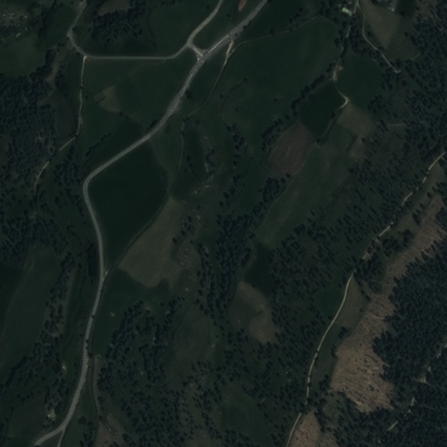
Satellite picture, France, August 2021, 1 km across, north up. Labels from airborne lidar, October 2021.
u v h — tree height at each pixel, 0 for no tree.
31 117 21
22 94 18
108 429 0
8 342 0
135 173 0
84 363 0
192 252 0
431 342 17
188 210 0
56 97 0
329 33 0
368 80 0
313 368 0
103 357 0
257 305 0
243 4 0
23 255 28
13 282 0
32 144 15
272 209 0
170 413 11
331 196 0
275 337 0
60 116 0
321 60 0
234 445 17
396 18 0
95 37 23
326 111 0
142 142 0
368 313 0
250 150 0
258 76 0
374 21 0
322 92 0
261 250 0
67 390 6
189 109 0
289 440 0
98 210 0
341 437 17
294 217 0
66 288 13
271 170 0
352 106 0
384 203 0
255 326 0
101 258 0
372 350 0
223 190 0
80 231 0
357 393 0
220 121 0
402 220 0
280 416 0
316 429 0
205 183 0
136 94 0
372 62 0
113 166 0
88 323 0
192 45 0
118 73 0
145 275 0
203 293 17
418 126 20
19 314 0
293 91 0
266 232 0
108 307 0
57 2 12
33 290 0
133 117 0
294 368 13
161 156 0
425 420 10
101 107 0
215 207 0
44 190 10
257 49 0
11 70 0
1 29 7
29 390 0
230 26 0
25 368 28
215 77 0
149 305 0
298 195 0
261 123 0
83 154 0
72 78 0
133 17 22
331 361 0
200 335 0
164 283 0
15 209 0
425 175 17
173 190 0
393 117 19
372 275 21
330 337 0
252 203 0
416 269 18
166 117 0
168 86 0
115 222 0
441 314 21
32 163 16
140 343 0
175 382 0
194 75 0
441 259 20
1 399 25
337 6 7
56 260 0
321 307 0
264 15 0
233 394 0
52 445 0
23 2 0
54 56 7
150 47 0
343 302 0
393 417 24
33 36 0
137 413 0
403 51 0
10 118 15
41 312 0
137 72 0
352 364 0
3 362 0
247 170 0
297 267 0
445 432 12
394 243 13
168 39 0
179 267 0
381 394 0
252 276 0
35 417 0
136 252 0
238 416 0
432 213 0
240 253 22
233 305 0
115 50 0
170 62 0
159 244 0
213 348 0
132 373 9
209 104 0
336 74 0
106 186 0
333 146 0
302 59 0
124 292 0
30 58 0
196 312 0
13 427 0
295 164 0
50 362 19
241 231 23
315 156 0
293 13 0
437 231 0
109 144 0
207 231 0
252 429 0
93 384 0
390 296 0
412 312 18
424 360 19
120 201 0
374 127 0
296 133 0
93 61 0
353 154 0
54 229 16
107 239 0
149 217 0
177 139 0
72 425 0
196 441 0
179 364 0
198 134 0
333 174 0
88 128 0
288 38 0
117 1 0
